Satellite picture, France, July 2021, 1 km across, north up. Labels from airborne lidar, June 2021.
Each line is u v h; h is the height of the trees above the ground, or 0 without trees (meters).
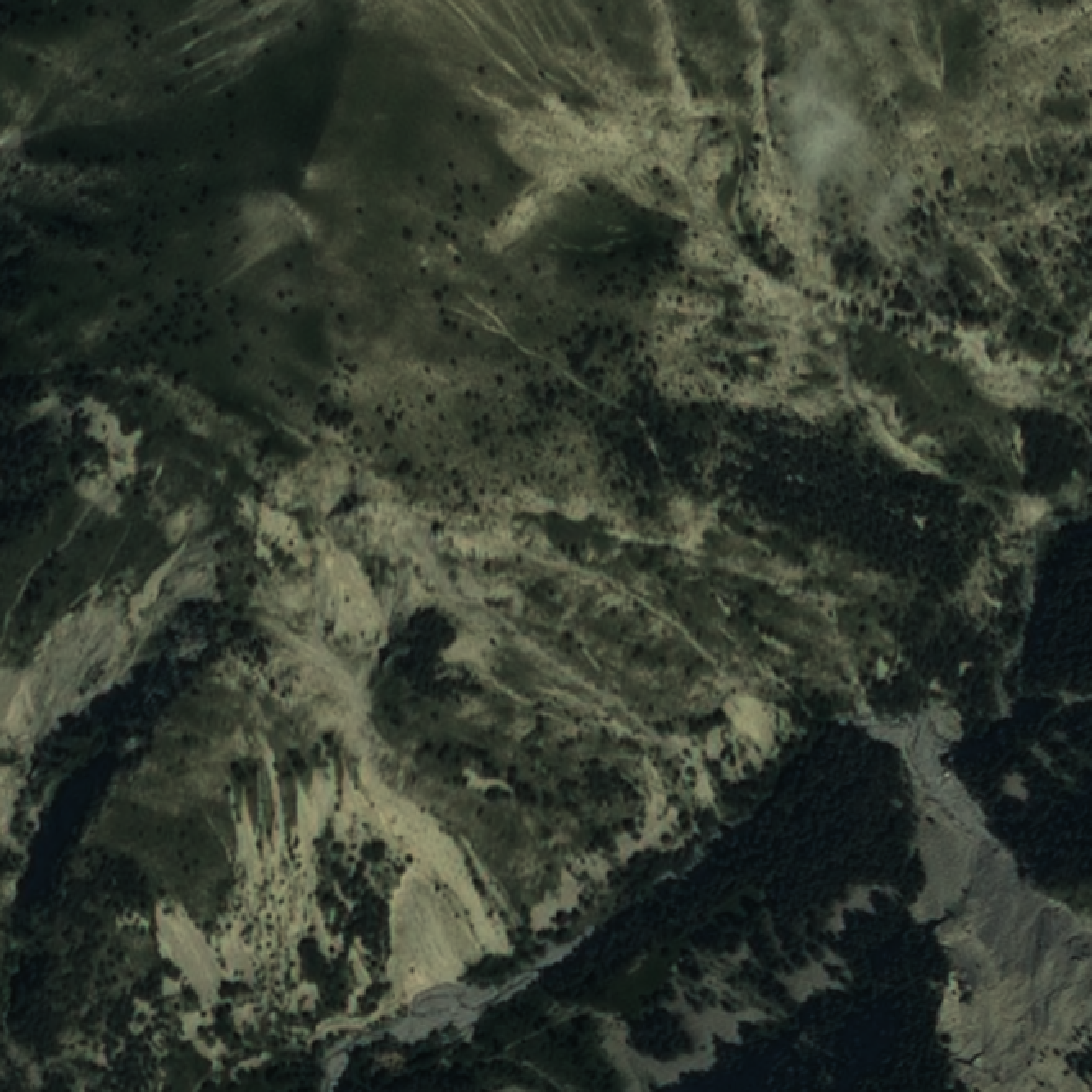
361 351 0
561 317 0
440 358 0
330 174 0
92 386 11
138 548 0
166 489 0
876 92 0
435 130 0
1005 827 14
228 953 0
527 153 0
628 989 0
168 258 0
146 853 0
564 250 0
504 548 0
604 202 0
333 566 0
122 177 0
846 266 9
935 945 10
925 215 10
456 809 0
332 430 0
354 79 0
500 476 0
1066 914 0
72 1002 6
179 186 0
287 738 0
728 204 0
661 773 0
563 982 14
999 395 0
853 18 0
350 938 7
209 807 0
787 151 7
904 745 0
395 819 0
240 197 0
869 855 12
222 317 0
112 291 0
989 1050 0
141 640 0
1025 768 11
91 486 0
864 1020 11
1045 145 0
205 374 0
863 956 16
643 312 0
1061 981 0
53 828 11
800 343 0
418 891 0
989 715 13
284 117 0
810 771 18
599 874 0
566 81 0
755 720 0
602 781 9
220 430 0
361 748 0
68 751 6
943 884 0
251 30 0
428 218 0
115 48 0
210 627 6
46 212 0
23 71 0
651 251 0
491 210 0
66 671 0
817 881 17
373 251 0
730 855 22
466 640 0
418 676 7
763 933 18
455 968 0
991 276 0
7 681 0
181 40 0
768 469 13
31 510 11
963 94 0
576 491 0
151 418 0
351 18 0
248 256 0
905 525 8
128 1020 7
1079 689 10
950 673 13
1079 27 0
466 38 0
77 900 8
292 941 0
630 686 0
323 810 0
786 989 18
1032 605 0
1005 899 0
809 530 6
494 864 0
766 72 0
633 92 0
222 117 0
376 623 0
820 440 8
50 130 0
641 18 0
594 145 0
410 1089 16
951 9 0
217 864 0
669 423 9
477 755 8
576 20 0
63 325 0
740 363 6
